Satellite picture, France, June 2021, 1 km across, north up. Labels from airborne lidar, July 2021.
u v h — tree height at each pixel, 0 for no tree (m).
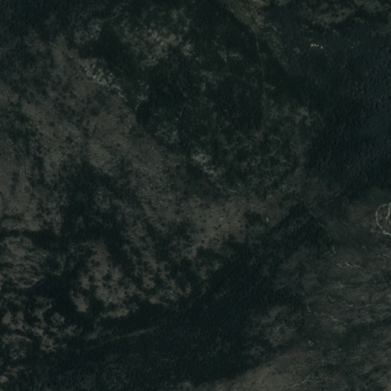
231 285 6
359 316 6
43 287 10
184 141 6
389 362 0
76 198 8
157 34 0
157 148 0
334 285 0
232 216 0
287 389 0
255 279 8
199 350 6
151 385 6
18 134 6
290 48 6
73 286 8
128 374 6
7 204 0
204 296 10
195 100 6
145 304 9
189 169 5
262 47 6
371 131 15
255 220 7
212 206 0
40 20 6
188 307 9
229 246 8
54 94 0
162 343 7
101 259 0
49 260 7
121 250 7
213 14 6
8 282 8
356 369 0
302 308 6
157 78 10
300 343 0
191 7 6
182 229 6
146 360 7
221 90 9
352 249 0
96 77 0
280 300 8
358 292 0
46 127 0
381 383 0
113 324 8
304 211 7
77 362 11
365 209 0
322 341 0
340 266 0
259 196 6
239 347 8
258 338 6
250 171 5
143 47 0
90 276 7
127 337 7
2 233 8
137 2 7
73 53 0
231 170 7
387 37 11
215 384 0
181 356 7
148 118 7
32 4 8
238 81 9
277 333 0
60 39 0
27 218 0
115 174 0
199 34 7
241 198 0
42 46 0
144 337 6
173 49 6
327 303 0
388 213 0
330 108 7
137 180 0
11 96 0
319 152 11
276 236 0
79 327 10
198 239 0
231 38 6
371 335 0
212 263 6
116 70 6
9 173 0
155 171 0
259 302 9
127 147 0
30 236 7
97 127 0
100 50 6
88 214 8
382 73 9
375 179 7
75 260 7
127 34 0
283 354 0
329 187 8
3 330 10
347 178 9
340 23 9
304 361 0
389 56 13
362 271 0
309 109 6
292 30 6
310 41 7
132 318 9
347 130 12
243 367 8
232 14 7
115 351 8
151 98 7
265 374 0
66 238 9
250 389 0
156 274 6
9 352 8
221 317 9
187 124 6
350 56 9
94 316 7
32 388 6
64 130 0
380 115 12
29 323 10
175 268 8
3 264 6
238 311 10
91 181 7
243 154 5
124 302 9
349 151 12
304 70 7
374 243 0
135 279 7
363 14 10
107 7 6
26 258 7
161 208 0
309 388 0
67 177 6
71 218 6
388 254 0
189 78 9
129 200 6
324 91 10
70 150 0
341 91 14
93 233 10
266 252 6
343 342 0
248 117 7
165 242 6
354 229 0
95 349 10
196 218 0
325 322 0
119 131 0
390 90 13
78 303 0
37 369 7
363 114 8
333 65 8
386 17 7
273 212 0
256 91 6
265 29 6
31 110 0
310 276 0
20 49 7
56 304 9
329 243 6
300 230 8
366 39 10
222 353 8
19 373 10
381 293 0
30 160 0
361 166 10
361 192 7
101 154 0
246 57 8
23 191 0
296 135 0
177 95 10
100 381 7
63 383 11
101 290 0
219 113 6
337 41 8
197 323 7
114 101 0
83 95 0
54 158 0
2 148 0
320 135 9
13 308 11
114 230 9
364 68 13
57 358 7
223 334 8
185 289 6
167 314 9
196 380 7
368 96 15
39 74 0
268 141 7
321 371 0
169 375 9
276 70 6
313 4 7
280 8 9
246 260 8
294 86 6
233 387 0
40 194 0
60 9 6
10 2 11
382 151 11
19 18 9
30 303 10
